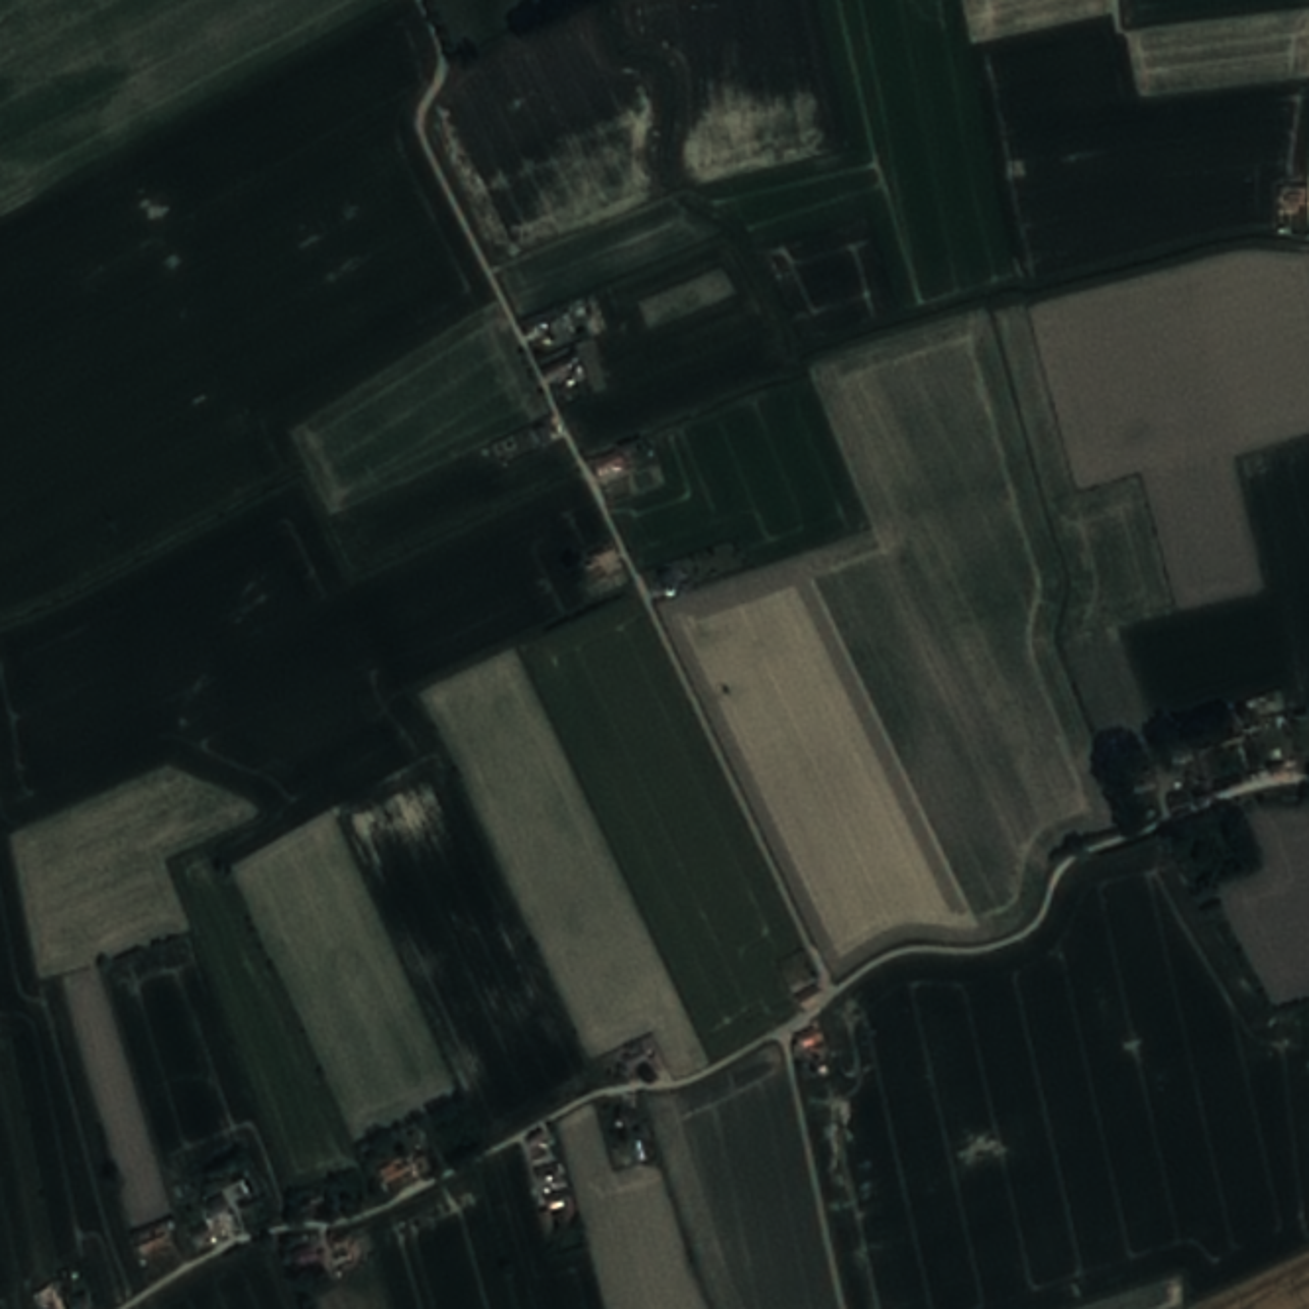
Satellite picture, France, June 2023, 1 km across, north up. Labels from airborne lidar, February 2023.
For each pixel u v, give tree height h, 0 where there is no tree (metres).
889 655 0
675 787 0
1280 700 0
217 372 0
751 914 0
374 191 0
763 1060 0
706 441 0
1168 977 0
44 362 0
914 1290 0
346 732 0
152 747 0
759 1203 0
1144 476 0
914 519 0
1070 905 0
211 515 0
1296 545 0
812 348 0
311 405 0
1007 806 0
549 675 0
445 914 0
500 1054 0
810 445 0
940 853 0
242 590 0
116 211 0
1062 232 0
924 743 0
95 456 0
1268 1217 0
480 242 0
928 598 0
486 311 0
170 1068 0
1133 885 0
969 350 0
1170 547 0
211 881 0
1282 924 0
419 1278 0
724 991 0
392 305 0
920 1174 0
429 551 0
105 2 0
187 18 0
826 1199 0
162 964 0
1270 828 0
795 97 0
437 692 0
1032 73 0
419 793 0
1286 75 0
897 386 0
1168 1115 0
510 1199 0
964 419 0
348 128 0
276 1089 0
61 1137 0
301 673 0
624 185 0
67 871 0
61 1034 0
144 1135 0
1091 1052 0
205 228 0
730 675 0
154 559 0
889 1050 0
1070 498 0
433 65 0
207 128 0
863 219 0
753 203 0
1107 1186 0
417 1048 0
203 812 0
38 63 0
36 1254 0
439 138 0
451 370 0
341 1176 6
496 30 0
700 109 0
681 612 0
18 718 0
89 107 0
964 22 0
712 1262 0
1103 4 0
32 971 0
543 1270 0
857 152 0
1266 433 0
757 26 0
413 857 0
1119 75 0
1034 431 0
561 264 0
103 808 0
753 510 0
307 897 0
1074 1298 0
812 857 0
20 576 0
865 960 0
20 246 0
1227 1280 0
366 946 0
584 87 0
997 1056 0
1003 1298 0
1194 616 0
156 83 0
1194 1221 0
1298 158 0
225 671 0
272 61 0
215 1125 0
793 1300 0
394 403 0
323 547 0
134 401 0
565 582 0
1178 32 0
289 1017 0
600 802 0
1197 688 0
